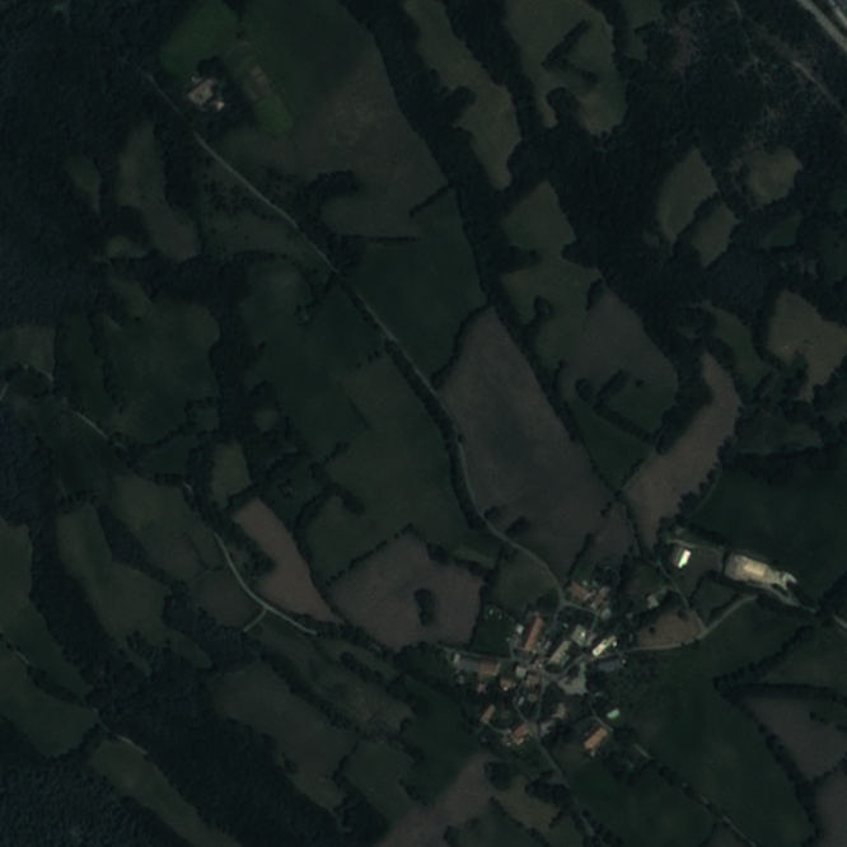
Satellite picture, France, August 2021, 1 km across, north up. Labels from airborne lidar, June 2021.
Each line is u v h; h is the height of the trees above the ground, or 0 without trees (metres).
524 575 0
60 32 28
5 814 15
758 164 0
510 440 0
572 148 17
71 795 26
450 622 0
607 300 0
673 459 0
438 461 0
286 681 12
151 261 18
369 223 0
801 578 0
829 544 0
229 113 10
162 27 22
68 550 0
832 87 13
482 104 0
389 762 0
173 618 15
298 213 8
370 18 20
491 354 0
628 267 23
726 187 13
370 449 0
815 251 18
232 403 22
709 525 0
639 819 0
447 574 0
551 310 7
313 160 0
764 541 0
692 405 14
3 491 17
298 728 0
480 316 10
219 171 0
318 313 13
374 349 0
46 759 11
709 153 13
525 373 0
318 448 0
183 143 18
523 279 0
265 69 0
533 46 0
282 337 0
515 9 0
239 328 21
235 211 6
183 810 0
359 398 0
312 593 0
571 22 0
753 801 0
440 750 0
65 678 0
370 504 0
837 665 0
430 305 0
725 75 14
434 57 0
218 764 25
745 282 18
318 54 0
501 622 0
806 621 14
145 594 0
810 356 0
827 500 0
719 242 0
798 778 17
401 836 0
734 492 0
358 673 11
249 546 10
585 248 15
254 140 0
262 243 0
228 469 0
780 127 14
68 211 19
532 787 11
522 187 21
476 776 0
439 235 0
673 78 15
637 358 0
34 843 15
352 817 21
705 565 0
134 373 0
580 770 0
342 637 8
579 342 0
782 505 0
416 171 0
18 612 0
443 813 0
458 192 15
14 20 19
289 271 0
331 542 0
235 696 0
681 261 16
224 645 19
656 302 21
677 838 0
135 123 14
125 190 0
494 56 23
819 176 20
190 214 13
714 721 0
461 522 0
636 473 10
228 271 25
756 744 0
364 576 0
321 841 17
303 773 0
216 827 8
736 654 0
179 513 0
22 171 25
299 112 0
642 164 7
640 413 0
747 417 17
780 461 20
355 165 0
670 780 16
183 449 0
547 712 7
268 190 7
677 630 0
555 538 0
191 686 16
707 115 12
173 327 0
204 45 0
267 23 0
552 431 0
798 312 0
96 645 22
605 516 11
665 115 9
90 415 13
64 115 31
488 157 0
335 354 0
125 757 0
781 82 14
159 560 0
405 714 0
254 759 25
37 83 28
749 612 0
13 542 0
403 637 0
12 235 20
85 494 13
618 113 0
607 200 17
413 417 0
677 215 0
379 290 0
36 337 0
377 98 0
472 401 0
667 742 0
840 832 0
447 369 9
